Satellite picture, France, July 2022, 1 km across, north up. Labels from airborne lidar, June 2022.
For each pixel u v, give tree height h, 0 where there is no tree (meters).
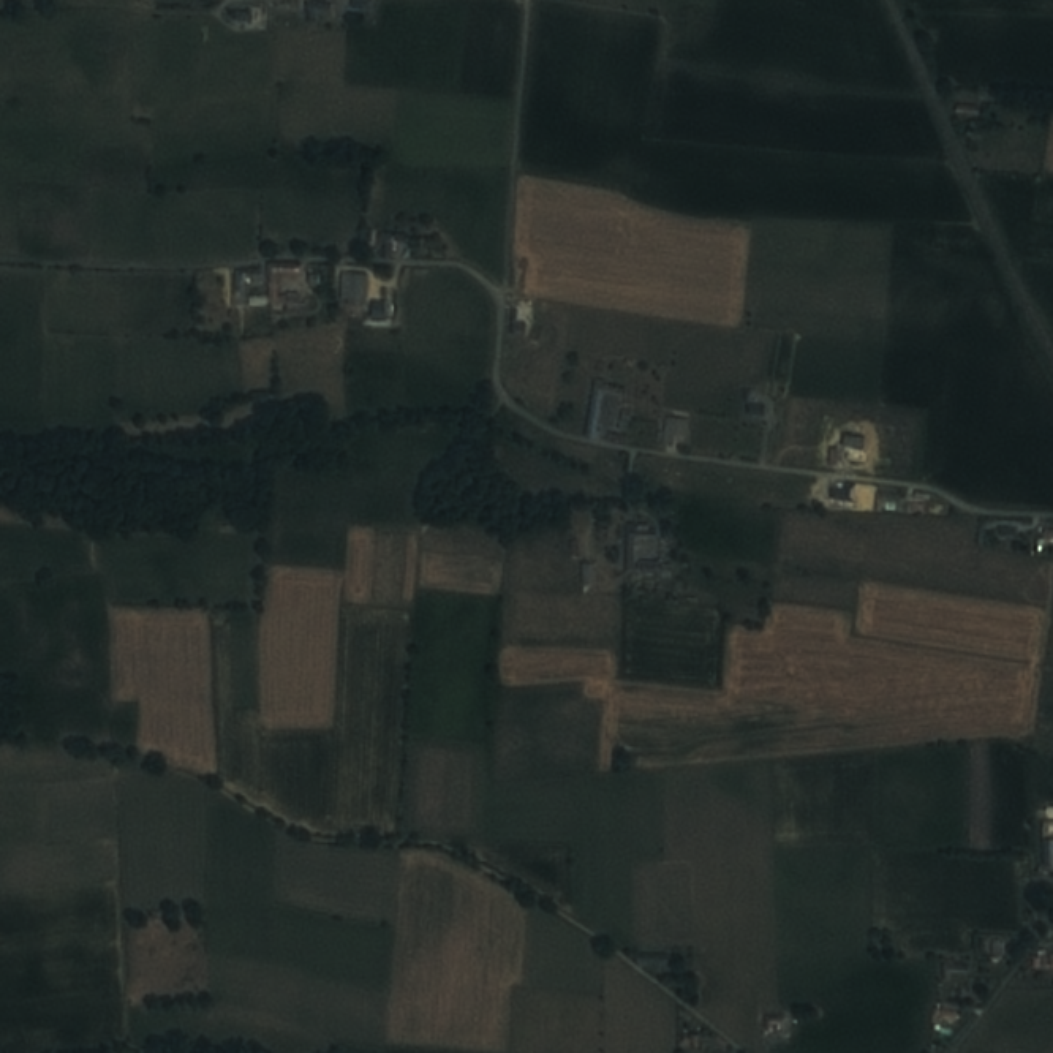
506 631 0
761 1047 0
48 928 0
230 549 0
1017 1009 0
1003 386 0
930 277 0
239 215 0
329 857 0
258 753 0
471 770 0
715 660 0
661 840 0
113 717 0
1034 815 0
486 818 0
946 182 0
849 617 0
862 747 0
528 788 0
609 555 9
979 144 8
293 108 0
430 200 0
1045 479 0
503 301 0
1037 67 0
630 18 0
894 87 0
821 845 0
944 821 0
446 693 0
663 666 0
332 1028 0
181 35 0
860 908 0
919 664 0
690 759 0
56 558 0
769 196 0
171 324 0
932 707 0
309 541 0
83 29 0
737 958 0
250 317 0
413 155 0
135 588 0
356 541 0
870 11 0
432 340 0
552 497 14
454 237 0
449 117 0
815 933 0
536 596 0
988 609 0
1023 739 0
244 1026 0
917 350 0
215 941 0
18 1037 0
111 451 25
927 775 0
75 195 0
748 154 0
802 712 0
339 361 0
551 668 0
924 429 0
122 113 0
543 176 0
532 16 0
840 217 0
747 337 0
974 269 0
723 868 0
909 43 0
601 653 0
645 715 0
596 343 0
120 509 28
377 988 0
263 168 0
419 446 0
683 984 8
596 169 0
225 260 0
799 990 0
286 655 0
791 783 0
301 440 25
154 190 6
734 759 0
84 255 0
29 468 22
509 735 0
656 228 0
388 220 0
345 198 0
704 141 0
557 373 0
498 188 0
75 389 0
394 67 0
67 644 0
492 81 0
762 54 0
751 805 0
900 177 0
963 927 0
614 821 0
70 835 0
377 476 0
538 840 0
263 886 0
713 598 0
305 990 0
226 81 0
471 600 0
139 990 0
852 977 0
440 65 0
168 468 24
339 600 0
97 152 0
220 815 0
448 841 0
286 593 0
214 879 0
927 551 0
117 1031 0
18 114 0
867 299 0
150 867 0
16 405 0
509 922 0
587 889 0
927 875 0
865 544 0
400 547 0
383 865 0
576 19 0
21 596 0
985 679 0
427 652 0
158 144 0
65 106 0
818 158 0
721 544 0
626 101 0
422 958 0
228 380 0
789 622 0
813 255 0
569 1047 0
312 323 6
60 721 0
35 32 0
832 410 0
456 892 0
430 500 20
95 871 0
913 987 0
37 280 0
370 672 0
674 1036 0
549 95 0
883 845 0
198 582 0
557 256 0
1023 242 0
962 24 0
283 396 6
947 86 15
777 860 0
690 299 0
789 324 0
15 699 15
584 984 0
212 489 17
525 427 0
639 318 0
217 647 0
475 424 23
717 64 0
